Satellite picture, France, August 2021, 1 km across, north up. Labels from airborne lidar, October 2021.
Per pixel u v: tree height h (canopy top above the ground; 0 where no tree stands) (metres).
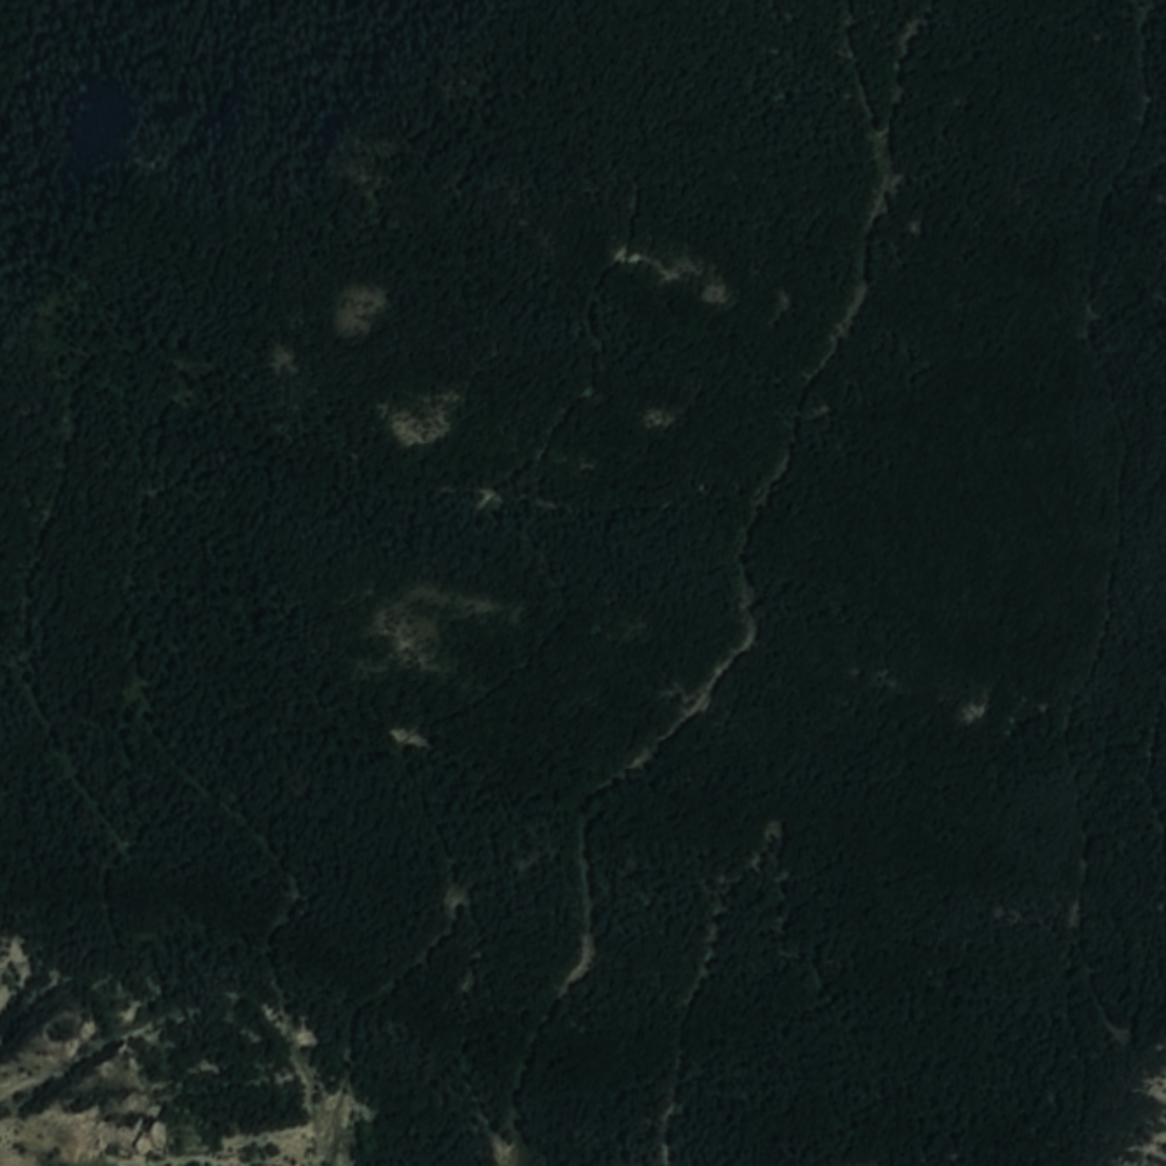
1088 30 19
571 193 17
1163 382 14
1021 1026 18
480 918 23
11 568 17
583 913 6
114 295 24
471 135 26
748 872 17
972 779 19
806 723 15
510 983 16
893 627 19
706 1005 21
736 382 16
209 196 17
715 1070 24
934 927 18
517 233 21
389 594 7
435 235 19
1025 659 16
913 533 19
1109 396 18
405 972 10
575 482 16
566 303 19
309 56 12
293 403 13
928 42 23
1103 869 16
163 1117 13
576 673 18
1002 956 19
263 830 22
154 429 20
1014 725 9
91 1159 0
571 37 23
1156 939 15
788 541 17
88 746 25
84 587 23
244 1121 12
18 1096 8
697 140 21
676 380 14
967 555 17
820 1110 22
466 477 15
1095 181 21
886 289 17
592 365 8
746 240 21
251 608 9
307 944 13
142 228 13
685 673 15
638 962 18
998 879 14
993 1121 18
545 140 20
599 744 21
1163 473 14
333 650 17
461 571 15
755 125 21
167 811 16
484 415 11
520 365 15
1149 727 13
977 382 19
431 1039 14
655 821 20
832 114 19
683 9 13
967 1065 16
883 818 16
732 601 16
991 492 17
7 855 21
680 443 17
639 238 13
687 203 17
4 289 20
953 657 18
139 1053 9
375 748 8
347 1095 6
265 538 15
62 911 13
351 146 10
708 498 15
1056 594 17
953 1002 13
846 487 17
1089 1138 18
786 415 8
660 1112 23
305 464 16
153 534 24
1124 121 16
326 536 20
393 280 16
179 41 21
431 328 16
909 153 20
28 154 19
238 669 14
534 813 23
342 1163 0
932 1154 28
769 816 20
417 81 12
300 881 21
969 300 11
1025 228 19
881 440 19
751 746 14
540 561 17
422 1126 19
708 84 17
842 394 19
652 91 27
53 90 20
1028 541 17
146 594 24
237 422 11
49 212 18
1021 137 16
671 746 17
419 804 10
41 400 19
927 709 13
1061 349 21
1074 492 19
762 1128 11
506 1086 13
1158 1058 13
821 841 19
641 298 19
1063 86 16
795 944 20
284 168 23
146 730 8
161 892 15
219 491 19
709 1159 19
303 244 15
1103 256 21
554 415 18
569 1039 14
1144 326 16
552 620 11
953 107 18
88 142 16
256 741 18
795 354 15
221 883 15
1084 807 16
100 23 28
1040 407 18
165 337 9
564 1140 7
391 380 13
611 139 22
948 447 18
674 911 20
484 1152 12
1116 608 16
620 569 17
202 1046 16
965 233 20
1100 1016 25
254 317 20
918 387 15
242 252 16
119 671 24
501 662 14
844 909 19
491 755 15
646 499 25
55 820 19
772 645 14
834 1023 16
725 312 7
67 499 22
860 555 20
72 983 8
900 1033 17
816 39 21
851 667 7
